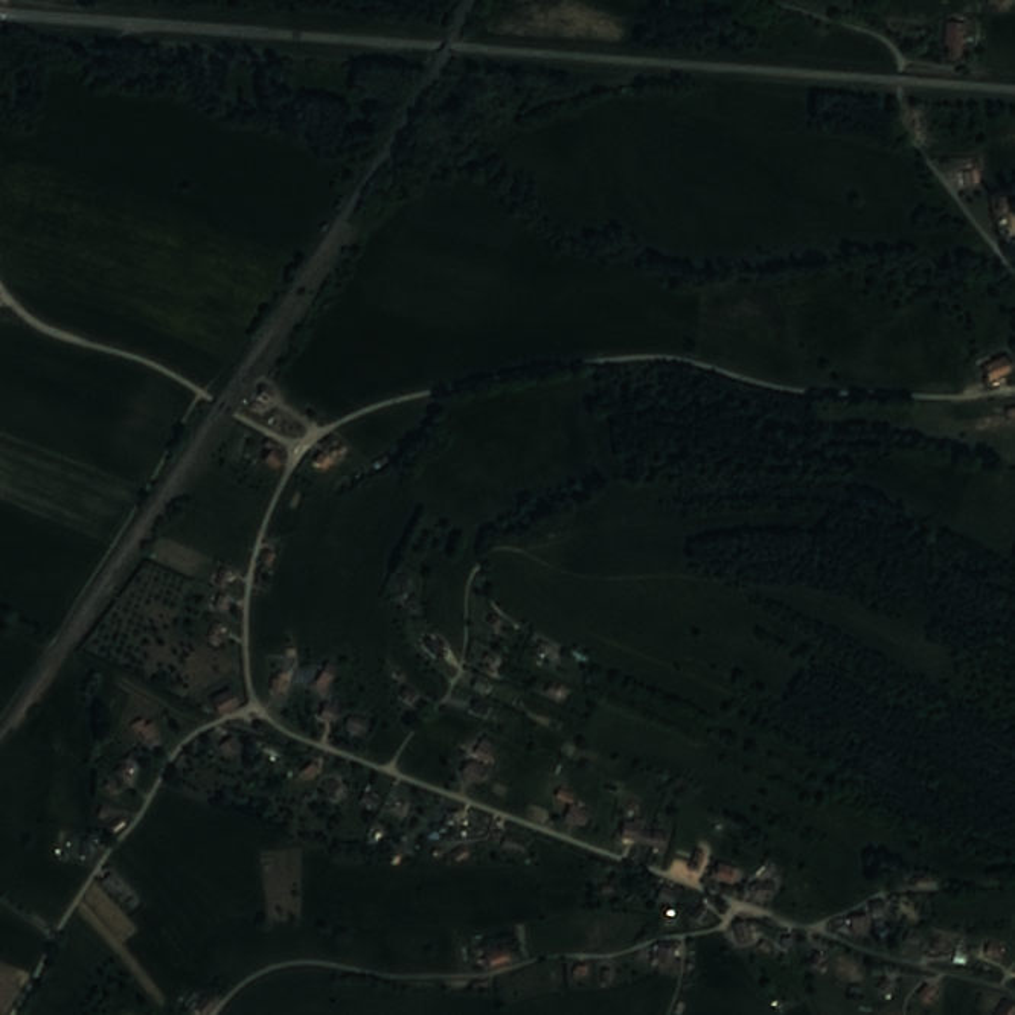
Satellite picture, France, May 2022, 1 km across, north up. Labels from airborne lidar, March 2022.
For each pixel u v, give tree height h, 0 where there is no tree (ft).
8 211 0
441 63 0
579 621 0
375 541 0
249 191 0
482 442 0
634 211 0
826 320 0
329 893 0
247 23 0
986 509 0
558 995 0
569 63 0
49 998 0
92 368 0
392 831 29
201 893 0
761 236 0
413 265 0
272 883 0
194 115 0
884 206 0
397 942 0
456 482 0
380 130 74
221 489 0
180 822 0
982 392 0
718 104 0
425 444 46
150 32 0
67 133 0
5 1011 0
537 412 0
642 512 0
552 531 0
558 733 0
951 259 41
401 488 0
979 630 37
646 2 0
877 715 36
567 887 0
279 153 0
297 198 0
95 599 0
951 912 0
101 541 0
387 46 0
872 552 66
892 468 0
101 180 0
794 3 0
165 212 0
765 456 40
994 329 0
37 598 0
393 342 0
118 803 0
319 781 0
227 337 0
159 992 0
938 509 0
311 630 0
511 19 0
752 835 30
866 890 0
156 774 0
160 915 0
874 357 0
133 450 0
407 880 0
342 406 0
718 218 0
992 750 27
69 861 0
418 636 0
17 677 0
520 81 62
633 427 54
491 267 0
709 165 0
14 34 56
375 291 0
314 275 0
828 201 0
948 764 41
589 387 0
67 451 0
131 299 0
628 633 0
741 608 0
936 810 49
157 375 0
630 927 0
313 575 0
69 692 0
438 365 0
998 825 41
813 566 53
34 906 0
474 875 0
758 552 54
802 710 34
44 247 0
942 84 0
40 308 0
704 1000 0
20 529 0
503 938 19
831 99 53
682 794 44
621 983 0
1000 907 0
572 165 0
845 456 30
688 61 0
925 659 0
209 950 0
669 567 0
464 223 0
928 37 21
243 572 0
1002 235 34
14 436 0
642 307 0
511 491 0
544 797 0
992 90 0
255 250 0
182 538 0
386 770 0
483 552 35
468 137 58
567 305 0
